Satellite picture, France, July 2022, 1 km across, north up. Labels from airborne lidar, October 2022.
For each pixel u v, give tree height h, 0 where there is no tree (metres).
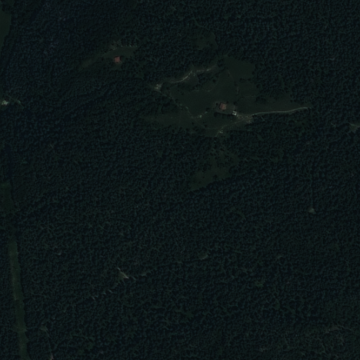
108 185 23
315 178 14
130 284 30
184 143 22
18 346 18
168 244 20
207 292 21
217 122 0
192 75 0
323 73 13
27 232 18
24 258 21
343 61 28
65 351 34
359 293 30
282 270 19
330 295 13
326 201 23
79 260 27
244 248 22
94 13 33
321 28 25
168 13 24
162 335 29
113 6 33
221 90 0
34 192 24
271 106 0
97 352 29
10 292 16
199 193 18
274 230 33
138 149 26
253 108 0
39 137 7
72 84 23
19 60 33
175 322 34
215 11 26
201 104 0
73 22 41
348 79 32
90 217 15
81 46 36
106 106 21
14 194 26
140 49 9
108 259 29
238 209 24
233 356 17
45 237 22
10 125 26
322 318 22
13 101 14
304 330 19
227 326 25
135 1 23
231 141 9
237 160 0
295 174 6
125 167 30
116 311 24
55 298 9
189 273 24
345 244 29
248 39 29
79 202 18
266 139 14
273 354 11
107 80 21
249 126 18
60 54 29
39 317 28
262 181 27
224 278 32
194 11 12
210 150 17
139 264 20
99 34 34
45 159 26
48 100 14
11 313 21
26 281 20
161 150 27
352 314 20
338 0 26
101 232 26
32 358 21
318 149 16
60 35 33
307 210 25
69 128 27
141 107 11
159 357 23
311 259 21
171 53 16
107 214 21
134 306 11
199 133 8
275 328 19
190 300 23
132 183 19
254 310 28
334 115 28
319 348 22
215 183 15
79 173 29
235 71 0
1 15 0
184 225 25
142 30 17
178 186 23
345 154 16
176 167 20
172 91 0
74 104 21
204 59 17
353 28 28
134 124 13
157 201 24
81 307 16
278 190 25
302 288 29
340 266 21
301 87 26
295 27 24
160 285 27
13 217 16
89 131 23
